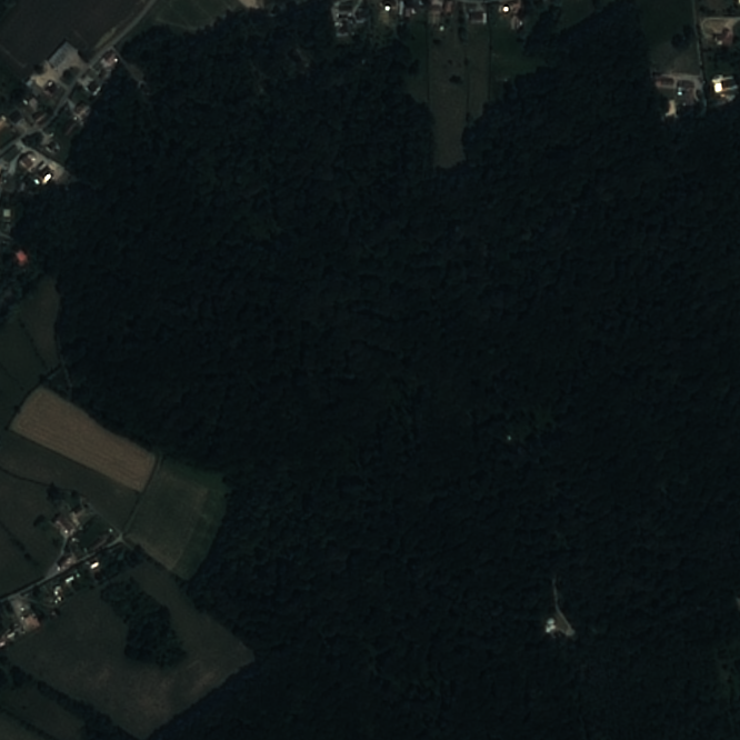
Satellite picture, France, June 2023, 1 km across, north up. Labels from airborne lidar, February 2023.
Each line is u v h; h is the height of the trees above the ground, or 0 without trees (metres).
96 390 15
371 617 23
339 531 23
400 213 24
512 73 0
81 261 21
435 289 24
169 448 9
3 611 10
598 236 20
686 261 21
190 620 0
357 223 22
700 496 19
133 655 13
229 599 26
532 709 26
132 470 0
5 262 13
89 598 0
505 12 0
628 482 18
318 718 24
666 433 20
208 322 21
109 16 0
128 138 22
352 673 24
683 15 0
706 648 9
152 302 20
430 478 24
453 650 22
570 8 0
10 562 0
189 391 17
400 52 18
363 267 20
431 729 24
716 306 22
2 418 0
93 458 0
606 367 21
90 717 14
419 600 22
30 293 15
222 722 24
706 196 22
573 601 16
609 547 20
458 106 0
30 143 7
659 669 15
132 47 14
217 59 22
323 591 21
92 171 16
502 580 19
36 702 0
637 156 22
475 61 0
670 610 18
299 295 23
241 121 21
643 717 17
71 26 0
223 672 0
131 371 20
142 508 0
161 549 0
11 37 0
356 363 24
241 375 21
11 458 0
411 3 13
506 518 24
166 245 23
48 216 22
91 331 21
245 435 23
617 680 16
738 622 5
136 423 18
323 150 20
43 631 0
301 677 23
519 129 27
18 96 11
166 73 19
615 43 21
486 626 21
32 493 0
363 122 20
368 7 8
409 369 19
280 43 24
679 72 0
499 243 25
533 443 23
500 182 23
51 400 0
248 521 24
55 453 0
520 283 23
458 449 22
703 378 22
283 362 23
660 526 19
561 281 20
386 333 21
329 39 21
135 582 11
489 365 22
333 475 6
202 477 0
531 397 20
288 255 23
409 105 19
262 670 19
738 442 24
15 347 0
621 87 22
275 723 23
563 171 24
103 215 21
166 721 0
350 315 18
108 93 17
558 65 21
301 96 21
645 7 0
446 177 20
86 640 0
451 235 26
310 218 25
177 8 0
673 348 19
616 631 17
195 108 22
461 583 21
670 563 17
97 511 0
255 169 21
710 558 13
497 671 18
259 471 19
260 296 21
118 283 23
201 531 0
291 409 22
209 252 20
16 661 0
